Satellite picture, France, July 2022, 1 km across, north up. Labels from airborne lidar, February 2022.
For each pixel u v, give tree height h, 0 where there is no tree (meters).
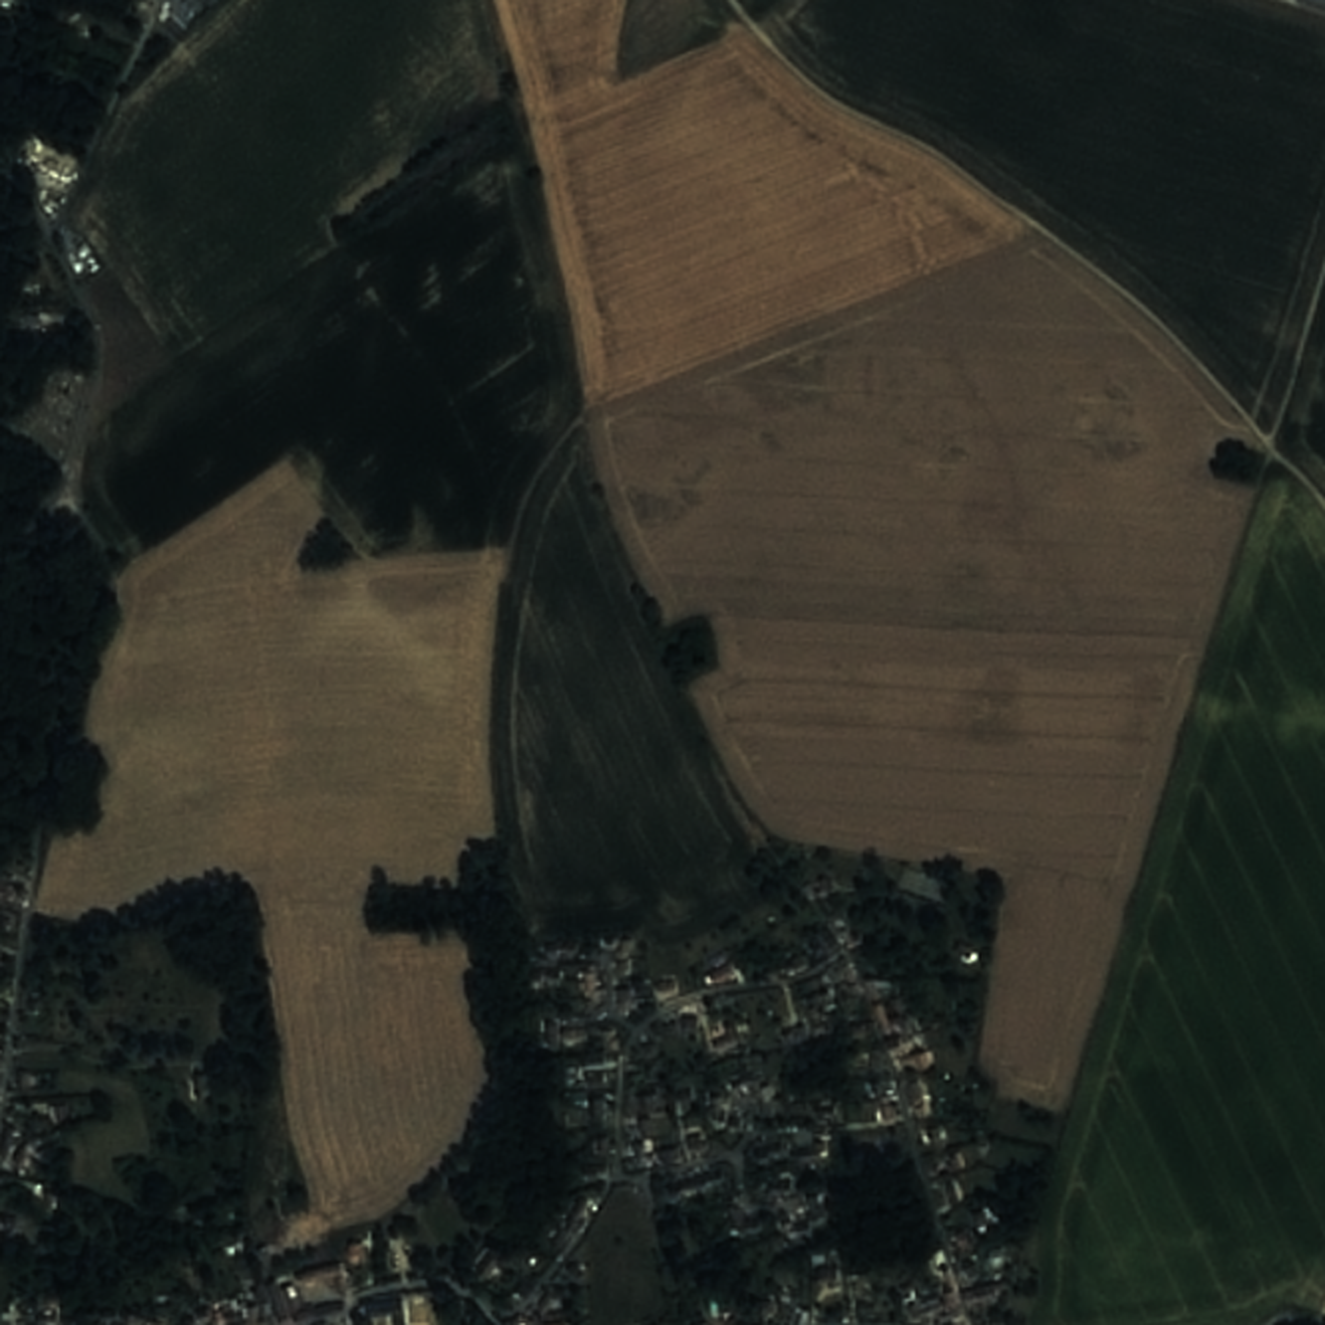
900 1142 22
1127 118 0
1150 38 0
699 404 0
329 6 0
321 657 0
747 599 0
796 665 0
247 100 0
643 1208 0
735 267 0
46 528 23
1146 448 0
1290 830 0
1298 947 0
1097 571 0
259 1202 0
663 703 0
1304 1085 0
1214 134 0
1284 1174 0
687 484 0
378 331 0
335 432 0
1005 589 0
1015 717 0
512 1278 9
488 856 14
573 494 0
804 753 0
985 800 0
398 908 9
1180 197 0
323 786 0
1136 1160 0
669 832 0
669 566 0
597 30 0
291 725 0
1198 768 0
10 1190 7
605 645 0
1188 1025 0
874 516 0
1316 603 0
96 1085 0
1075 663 0
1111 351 0
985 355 0
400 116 0
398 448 0
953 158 0
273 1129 0
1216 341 0
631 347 0
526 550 0
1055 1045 0
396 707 0
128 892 0
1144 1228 0
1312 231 0
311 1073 0
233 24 0
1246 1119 0
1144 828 0
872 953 17
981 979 7
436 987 0
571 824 0
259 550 0
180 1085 0
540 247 0
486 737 0
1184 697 0
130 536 0
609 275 0
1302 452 0
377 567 0
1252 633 0
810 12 0
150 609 0
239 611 0
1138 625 0
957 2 0
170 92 0
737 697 0
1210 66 0
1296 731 0
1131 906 0
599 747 0
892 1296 10
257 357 0
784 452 0
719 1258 14
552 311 0
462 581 0
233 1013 17
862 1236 11
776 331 0
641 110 0
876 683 0
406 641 0
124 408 0
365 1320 16
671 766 0
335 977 0
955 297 0
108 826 0
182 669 0
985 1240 9
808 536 0
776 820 0
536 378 0
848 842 0
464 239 0
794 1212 0
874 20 0
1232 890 0
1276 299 0
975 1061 0
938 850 0
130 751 0
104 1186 0
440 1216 0
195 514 0
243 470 0
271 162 0
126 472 0
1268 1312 0
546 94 0
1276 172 0
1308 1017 0
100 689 0
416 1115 0
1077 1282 0
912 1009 6
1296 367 0
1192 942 0
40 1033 0
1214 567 0
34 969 10
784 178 0
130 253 0
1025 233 0
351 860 0
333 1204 0
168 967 0
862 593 0
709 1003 12
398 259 0
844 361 0
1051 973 0
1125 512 0
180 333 0
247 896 23
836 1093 7
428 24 0
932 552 0
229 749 0
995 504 0
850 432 0
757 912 0
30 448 18
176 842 0
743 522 0
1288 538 0
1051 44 0
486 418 0
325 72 0
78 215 0
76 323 9
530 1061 18
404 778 0
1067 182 0
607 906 0
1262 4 0
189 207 0
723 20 0
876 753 0
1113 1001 0
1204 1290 0
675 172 0
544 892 0
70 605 33
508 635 0
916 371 0
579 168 0
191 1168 11
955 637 0
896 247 0
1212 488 0
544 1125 19
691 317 0
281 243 0
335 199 0
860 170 0
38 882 0
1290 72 0
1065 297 0
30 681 30
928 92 0
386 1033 0
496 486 0
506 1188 17
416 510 0
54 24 19
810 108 0
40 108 22
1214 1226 0
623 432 0
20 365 19
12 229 20
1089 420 0
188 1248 10
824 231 0
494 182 0
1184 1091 0
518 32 0
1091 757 0
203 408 0
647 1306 0
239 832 0
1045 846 0
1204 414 0
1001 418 0
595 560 0
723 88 0
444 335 0
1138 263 0
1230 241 0
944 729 0
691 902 0
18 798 31
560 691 0
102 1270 22
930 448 0
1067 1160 0
